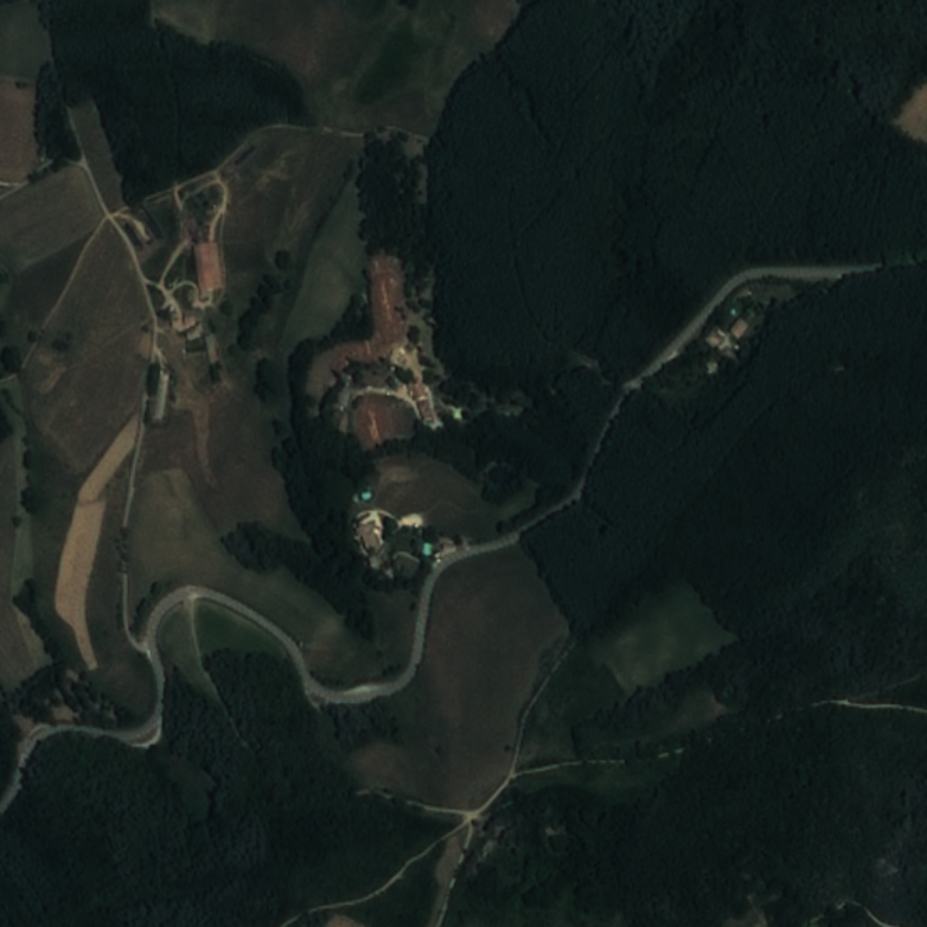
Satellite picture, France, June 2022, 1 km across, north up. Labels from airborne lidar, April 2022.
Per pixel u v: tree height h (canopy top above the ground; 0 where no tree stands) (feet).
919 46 39
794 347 63
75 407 0
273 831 23
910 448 26
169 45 54
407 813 21
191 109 61
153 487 0
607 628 39
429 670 0
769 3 71
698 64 71
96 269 0
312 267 0
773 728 39
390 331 62
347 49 0
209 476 0
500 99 71
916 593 30
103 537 0
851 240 68
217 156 39
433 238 51
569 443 41
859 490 21
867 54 69
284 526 0
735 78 56
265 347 0
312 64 0
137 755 42
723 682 31
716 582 34
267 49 0
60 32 46
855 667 37
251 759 39
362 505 0
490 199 69
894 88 78
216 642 0
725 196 72
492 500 33
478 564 0
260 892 39
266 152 0
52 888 56
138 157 55
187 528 0
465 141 69
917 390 35
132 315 0
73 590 0
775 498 46
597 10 58
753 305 32
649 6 82
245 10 0
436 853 20
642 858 43
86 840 24
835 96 79
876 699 20
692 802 45
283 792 40
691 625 0
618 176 59
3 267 22
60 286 0
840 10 70
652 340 66
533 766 21
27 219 0
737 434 64
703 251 70
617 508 70
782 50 63
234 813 59
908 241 70
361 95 0
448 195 52
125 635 0
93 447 0
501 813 26
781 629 28
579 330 67
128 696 0
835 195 65
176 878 52
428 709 0
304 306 0
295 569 44
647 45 101
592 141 67
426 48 0
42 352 0
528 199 67
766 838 39
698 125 43
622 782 0
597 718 29
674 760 18
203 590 0
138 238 0
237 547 48
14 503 0
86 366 0
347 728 45
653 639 0
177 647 0
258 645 0
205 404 0
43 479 0
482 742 0
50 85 43
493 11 0
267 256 0
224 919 42
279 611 0
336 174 0
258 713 57
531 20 72
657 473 67
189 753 37
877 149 69
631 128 58
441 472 0
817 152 74
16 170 0
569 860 39
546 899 27
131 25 51
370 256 34
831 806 36
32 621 32
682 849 43
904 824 59
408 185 39
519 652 0
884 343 71
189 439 0
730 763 40
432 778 0
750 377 60
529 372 39
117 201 0
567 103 60
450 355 57
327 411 54
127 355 0
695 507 35
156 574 0
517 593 0
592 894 57
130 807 53
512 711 0
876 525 19
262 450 0
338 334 28
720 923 37
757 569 31
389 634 0
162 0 0
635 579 50
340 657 0
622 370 52
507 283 62
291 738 49
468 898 18
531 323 63
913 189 63
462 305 60
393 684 0
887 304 71
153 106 60
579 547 66
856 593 26
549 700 0
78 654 0
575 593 73
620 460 66
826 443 41
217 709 35
